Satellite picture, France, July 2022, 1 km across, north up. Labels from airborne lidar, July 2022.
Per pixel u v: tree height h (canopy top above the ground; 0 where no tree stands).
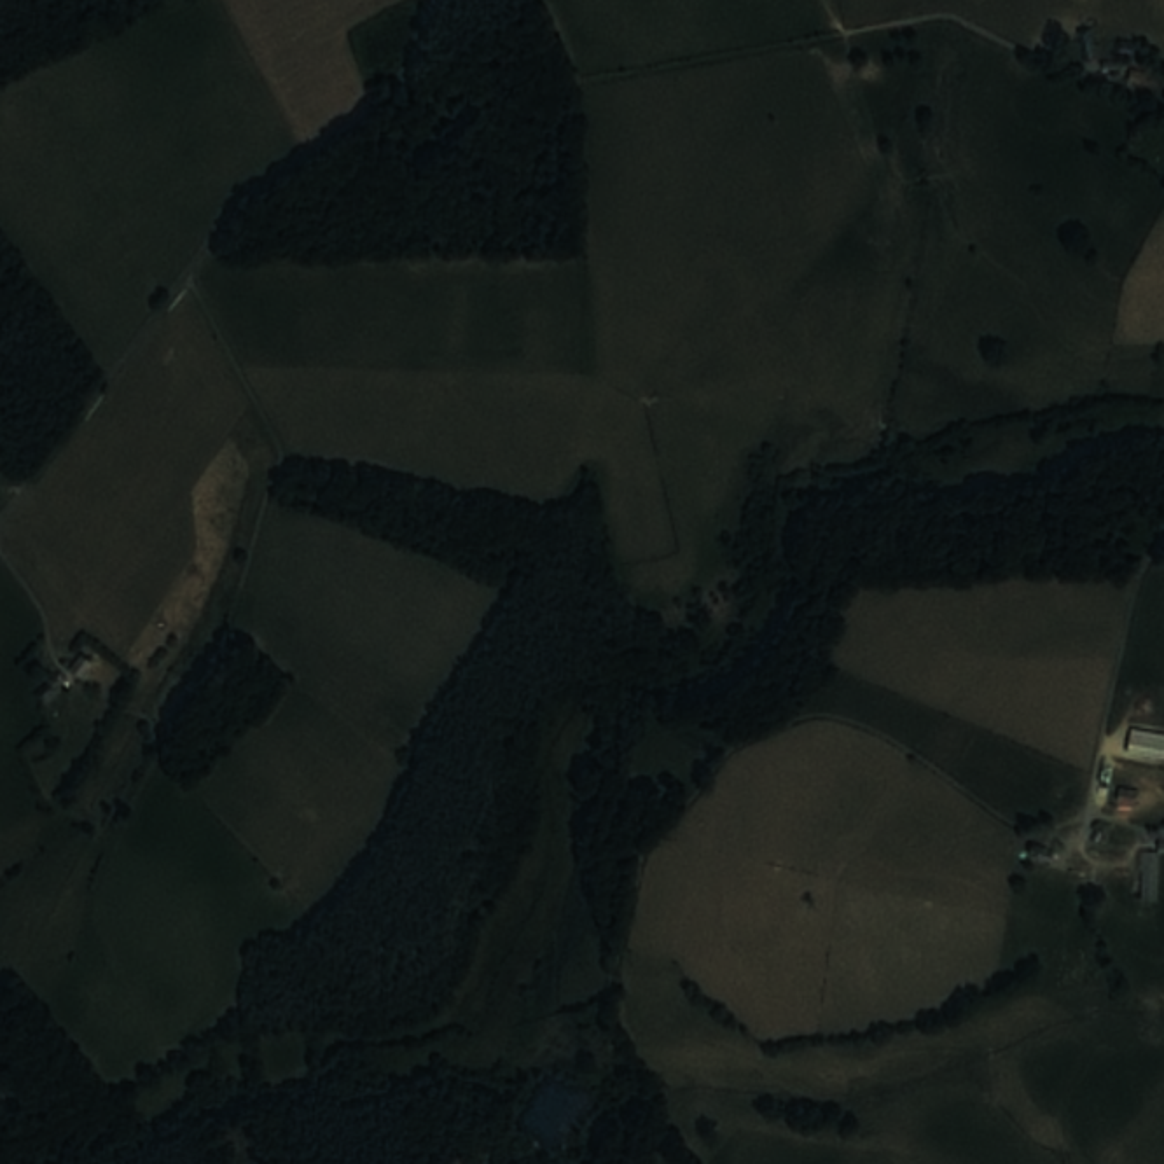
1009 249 0
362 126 27
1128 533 10
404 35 0
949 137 0
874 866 0
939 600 0
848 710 0
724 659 11
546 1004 0
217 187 0
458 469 0
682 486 0
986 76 0
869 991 0
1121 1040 0
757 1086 0
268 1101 25
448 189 27
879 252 0
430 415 0
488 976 0
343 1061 12
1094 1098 0
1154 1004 0
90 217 0
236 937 0
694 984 9
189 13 0
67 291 0
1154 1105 0
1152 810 0
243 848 0
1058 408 8
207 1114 22
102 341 0
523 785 22
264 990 14
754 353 0
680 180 0
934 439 8
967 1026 0
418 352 0
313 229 24
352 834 0
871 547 25
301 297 0
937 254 0
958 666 0
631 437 0
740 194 0
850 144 0
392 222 21
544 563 21
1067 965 0
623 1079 18
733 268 0
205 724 23
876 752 0
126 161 0
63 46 19
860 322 0
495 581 16
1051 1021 0
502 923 0
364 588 0
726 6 0
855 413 0
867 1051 0
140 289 0
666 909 0
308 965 19
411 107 27
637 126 0
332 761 0
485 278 0
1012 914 0
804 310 0
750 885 0
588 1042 0
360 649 0
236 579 0
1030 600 0
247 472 0
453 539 20
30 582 0
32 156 0
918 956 0
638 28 0
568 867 0
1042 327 0
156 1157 25
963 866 0
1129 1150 0
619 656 21
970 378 0
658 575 0
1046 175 0
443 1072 16
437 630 0
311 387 0
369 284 0
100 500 0
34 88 0
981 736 0
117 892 0
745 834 0
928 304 0
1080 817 0
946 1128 0
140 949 0
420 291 0
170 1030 0
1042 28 0
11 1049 27
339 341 0
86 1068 21
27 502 0
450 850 19
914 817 0
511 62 24
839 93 0
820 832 0
